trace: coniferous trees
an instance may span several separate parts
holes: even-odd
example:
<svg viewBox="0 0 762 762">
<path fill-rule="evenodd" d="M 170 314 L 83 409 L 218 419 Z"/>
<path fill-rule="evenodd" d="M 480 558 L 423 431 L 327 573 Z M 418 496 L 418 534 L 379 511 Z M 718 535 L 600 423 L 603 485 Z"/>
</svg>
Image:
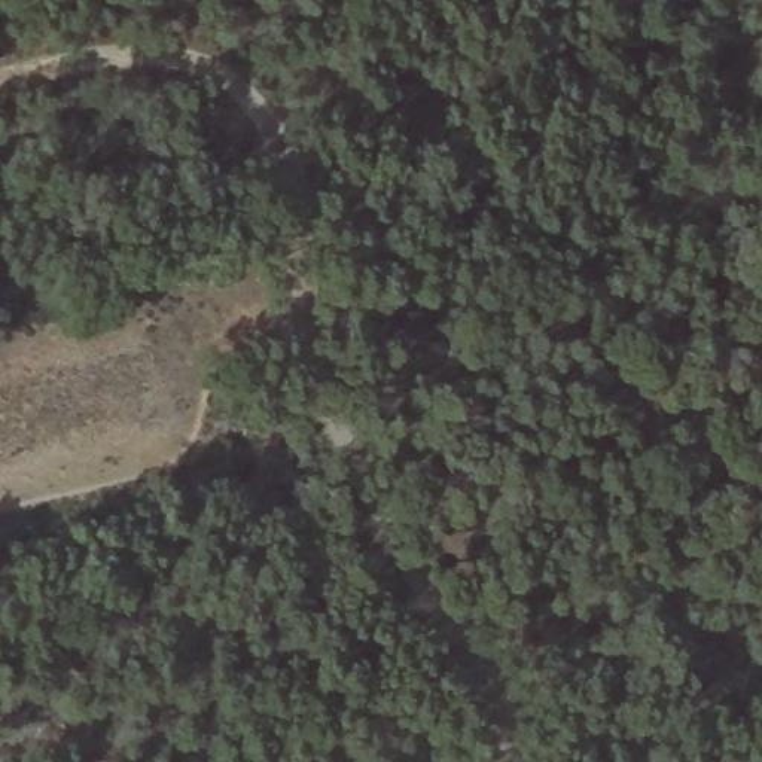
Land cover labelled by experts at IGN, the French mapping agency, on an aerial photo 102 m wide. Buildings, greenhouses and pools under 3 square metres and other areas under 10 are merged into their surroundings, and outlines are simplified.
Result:
<svg viewBox="0 0 762 762">
<path fill-rule="evenodd" d="M 122 330 L 143 304 L 155 304 L 161 313 L 173 313 L 182 304 L 182 295 L 176 292 L 179 286 L 229 283 L 241 292 L 265 295 L 268 310 L 256 318 L 241 318 L 238 324 L 232 324 L 226 333 L 232 351 L 208 345 L 202 351 L 202 366 L 208 375 L 217 378 L 217 384 L 241 414 L 280 426 L 280 435 L 271 435 L 271 441 L 244 438 L 238 432 L 226 432 L 208 444 L 196 441 L 176 464 L 146 467 L 134 482 L 104 488 L 86 497 L 18 506 L 18 500 L 0 488 L 0 762 L 330 762 L 330 750 L 345 747 L 345 735 L 363 741 L 363 747 L 375 750 L 390 762 L 762 762 L 762 0 L 0 0 L 0 345 L 9 342 L 15 333 L 36 333 L 39 324 L 57 324 L 60 333 L 71 339 L 95 339 L 101 333 Z"/>
</svg>

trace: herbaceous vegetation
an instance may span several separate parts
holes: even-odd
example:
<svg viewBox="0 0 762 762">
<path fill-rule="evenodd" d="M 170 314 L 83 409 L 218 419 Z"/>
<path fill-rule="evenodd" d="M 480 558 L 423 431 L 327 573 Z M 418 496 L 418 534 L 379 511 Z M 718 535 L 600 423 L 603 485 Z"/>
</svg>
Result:
<svg viewBox="0 0 762 762">
<path fill-rule="evenodd" d="M 345 747 L 330 750 L 330 762 L 390 762 L 375 750 L 363 747 L 363 741 L 345 735 Z"/>
<path fill-rule="evenodd" d="M 208 444 L 226 432 L 238 432 L 244 438 L 271 441 L 271 435 L 280 435 L 280 426 L 241 414 L 217 384 L 217 378 L 208 375 L 202 366 L 202 351 L 208 345 L 232 351 L 226 333 L 232 324 L 238 324 L 241 318 L 256 318 L 268 310 L 265 295 L 241 292 L 229 283 L 179 286 L 176 292 L 182 295 L 182 304 L 173 313 L 161 313 L 155 304 L 143 304 L 122 330 L 101 333 L 95 339 L 71 339 L 60 333 L 57 324 L 39 324 L 36 333 L 15 333 L 9 342 L 0 345 L 0 488 L 18 500 L 18 506 L 86 497 L 104 488 L 134 482 L 146 467 L 176 464 L 196 441 Z"/>
</svg>

